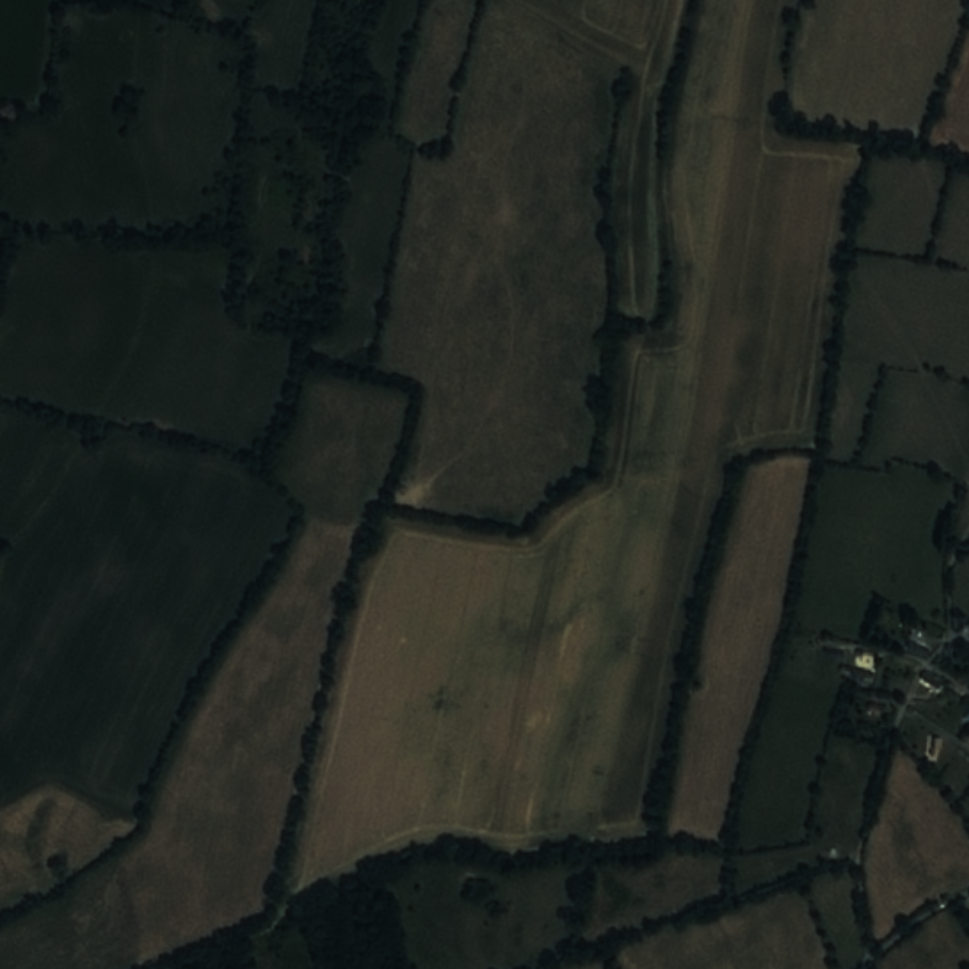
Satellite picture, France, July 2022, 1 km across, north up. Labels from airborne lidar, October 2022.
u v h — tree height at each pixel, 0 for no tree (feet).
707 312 0
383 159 0
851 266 52
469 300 0
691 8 36
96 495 0
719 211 0
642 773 0
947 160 53
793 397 0
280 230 0
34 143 0
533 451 0
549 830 0
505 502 0
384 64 0
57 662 0
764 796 0
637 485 0
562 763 0
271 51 0
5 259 45
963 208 0
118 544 0
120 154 0
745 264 0
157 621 0
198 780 0
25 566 0
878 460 0
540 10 0
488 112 0
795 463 0
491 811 0
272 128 0
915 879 0
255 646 0
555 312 0
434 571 0
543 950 0
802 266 0
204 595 0
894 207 0
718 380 0
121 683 0
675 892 0
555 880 0
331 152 27
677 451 0
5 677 0
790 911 0
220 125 0
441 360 0
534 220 0
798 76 0
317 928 78
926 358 0
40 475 0
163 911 0
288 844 60
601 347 22
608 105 0
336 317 34
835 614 0
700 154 0
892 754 20
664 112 31
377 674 0
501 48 0
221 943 45
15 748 0
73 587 0
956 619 26
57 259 0
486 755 0
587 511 0
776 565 0
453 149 40
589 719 0
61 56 19
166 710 0
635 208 0
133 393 0
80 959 0
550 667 0
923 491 0
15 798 0
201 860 0
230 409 0
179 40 0
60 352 0
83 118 0
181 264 0
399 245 27
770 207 0
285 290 25
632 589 0
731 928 0
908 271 0
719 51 0
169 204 0
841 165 0
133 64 0
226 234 44
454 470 0
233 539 0
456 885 0
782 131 41
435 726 0
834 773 0
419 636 0
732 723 0
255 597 52
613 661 0
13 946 0
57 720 0
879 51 0
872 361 0
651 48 0
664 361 0
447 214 0
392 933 71
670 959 0
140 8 32
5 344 0
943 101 48
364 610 0
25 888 0
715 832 0
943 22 0
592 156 0
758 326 0
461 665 0
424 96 0
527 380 0
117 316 0
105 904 0
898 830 0
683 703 50
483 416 0
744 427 0
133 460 0
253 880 0
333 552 0
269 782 0
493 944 0
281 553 52
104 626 0
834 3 0
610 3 0
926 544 0
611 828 0
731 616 0
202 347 0
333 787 0
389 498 54
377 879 72
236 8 0
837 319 20
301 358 37
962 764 0
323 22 46
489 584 0
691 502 0
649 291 0
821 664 0
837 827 0
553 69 0
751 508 0
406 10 0
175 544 0
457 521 33
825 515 0
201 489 0
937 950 0
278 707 0
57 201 0
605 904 0
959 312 0
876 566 0
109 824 0
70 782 0
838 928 0
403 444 22
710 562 34
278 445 53
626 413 0
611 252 44
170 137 0
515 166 0
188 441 56
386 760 0
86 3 52
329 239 33
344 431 0
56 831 0
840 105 0
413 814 0
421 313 0
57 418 56
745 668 0
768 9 0
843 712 32
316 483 0
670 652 0
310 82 31
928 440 0
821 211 0
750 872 0
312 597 0
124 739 0
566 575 0
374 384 35
